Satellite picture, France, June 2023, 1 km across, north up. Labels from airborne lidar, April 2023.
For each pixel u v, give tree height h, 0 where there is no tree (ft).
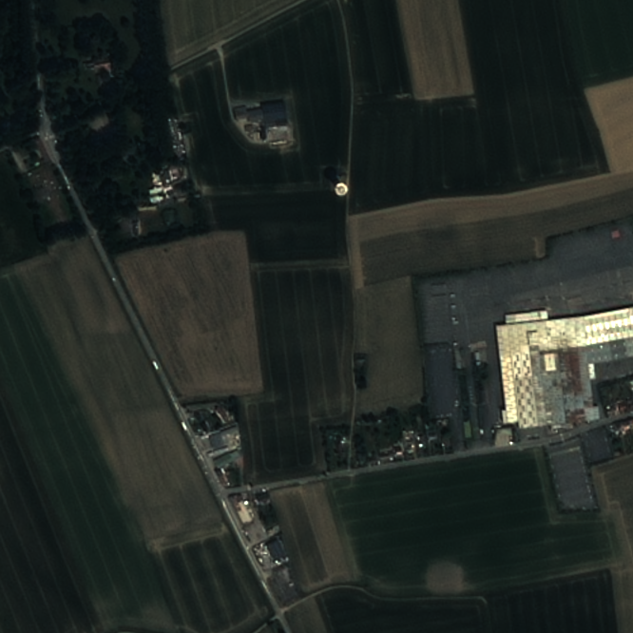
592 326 0
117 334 0
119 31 0
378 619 0
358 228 0
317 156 0
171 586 0
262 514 20
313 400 0
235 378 0
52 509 0
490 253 0
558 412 0
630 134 0
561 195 0
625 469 0
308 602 0
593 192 0
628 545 0
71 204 35
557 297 0
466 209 0
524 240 0
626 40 0
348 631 0
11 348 0
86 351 0
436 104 0
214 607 0
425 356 0
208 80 0
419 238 0
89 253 0
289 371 0
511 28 0
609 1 0
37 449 0
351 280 0
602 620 0
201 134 0
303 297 0
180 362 0
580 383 0
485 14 0
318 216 0
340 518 0
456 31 0
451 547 0
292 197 0
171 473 0
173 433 0
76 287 0
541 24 0
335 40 0
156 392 0
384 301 0
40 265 0
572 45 0
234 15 0
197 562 0
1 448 0
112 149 85
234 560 0
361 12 0
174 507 0
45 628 0
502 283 0
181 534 0
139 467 0
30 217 0
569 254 0
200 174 0
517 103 0
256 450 0
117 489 0
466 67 0
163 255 0
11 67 30
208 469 0
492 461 0
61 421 0
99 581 0
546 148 0
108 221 54
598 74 0
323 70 0
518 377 0
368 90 0
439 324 0
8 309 0
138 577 0
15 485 0
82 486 0
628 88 0
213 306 0
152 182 0
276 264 0
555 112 0
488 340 0
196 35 0
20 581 0
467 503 0
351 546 0
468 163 0
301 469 0
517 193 0
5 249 0
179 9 0
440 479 0
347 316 0
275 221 0
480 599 0
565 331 0
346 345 0
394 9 0
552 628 0
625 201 0
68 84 0
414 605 0
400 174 0
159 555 0
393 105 0
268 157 0
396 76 0
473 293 0
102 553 0
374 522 0
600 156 0
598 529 0
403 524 0
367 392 0
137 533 0
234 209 0
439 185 0
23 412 0
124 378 0
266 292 0
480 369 26
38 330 0
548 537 0
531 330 0
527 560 0
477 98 0
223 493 0
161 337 0
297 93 0
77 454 0
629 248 0
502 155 0
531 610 0
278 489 0
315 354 0
